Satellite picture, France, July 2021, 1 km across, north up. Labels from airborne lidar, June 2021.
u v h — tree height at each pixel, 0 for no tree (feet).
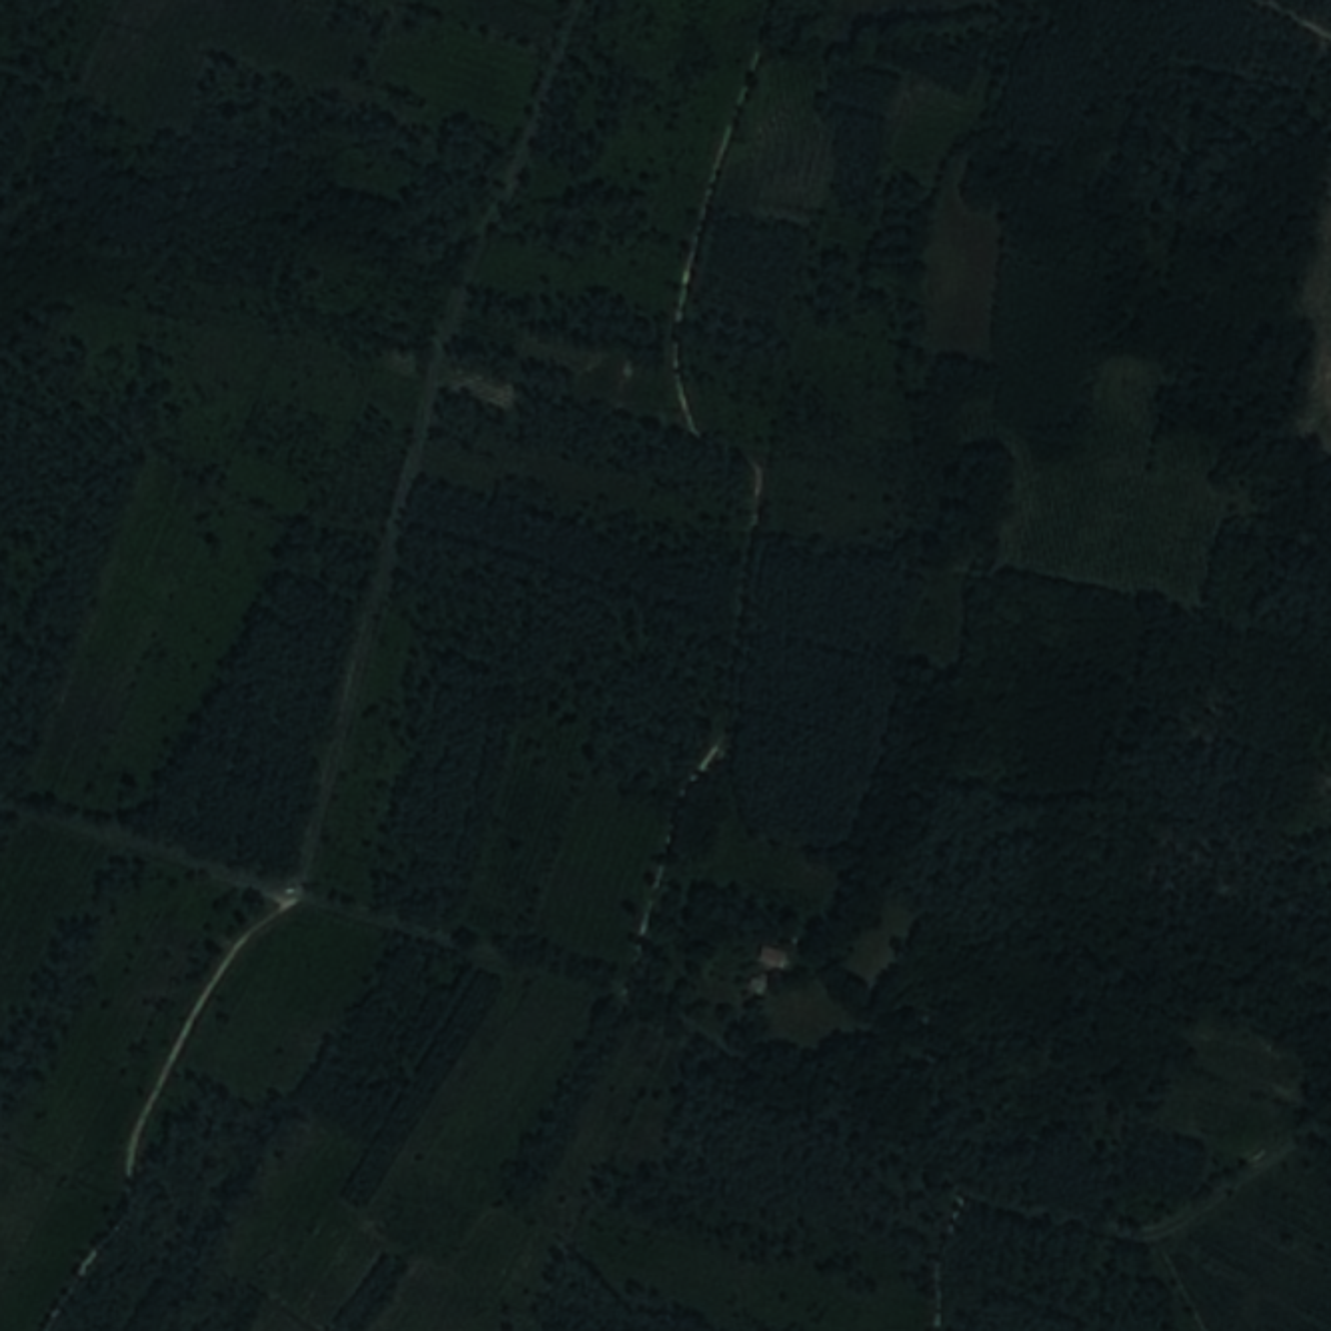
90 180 33
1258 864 55
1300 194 85
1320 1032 68
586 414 60
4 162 49
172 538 0
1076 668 45
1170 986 69
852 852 72
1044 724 59
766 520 34
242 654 65
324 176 44
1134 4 43
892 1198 59
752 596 33
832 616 52
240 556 0
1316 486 73
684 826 55
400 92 38
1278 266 49
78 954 87
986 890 87
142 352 33
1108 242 50
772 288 29
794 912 51
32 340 23
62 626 72
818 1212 75
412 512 39
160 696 0
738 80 0
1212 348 53
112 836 0
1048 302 42
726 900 77
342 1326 32
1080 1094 67
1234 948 54
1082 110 36
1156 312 52
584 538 40
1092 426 62
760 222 26
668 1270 0
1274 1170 0
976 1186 52
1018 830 49
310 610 66
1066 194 46
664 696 67
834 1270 53
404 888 57
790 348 71
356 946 0
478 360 84
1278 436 42
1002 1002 37
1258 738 32
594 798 0
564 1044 0
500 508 38
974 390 57
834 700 62
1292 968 53
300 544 82
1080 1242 68
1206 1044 0
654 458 76
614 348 55
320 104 32
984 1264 67
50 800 54
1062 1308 49
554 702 19
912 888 82
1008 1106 53
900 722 54
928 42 29
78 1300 75
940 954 38
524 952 56
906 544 49
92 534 79
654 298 0
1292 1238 45
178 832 66
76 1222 0
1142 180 82
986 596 61
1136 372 0
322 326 27
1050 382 44
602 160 22
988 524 86
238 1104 60
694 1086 78
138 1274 71
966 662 40
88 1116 0
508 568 49
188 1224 65
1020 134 37
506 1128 0
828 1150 83
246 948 0
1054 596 38
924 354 68
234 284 25
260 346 0
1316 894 27
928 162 0
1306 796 21
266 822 68
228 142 40
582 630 67
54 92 30
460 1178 0
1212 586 46
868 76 35
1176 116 77
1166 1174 49
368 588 75
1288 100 46
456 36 0
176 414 56
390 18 51
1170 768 70
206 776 70
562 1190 0
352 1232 0
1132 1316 63
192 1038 0
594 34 22
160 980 0
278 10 0
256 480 0
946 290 0
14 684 72
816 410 22
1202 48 34
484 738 71
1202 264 47
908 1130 61
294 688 62
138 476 81
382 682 0
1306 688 36
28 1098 63
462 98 0
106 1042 0
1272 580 44
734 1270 0
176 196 45
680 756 63
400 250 70
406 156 81
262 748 58
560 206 37
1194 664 79
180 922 0
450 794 67
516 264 0
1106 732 43
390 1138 32
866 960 0
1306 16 24
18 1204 0
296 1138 87
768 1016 53
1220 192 90
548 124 40
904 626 52
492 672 67
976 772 40
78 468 60
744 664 69
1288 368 50
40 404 55
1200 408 65
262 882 26
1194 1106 0
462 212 91
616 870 0
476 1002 31
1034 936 63
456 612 54
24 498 72
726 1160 78
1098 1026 68
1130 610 41
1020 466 52
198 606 0
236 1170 27
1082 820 70
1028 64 35
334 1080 46
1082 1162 55
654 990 62
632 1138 0
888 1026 69
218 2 0
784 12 54
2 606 67
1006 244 33
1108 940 31
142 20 0
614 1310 52
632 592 60
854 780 58
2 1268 0
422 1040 38
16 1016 34
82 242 20
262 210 42
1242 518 25
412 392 0
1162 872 44
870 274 57
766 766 57
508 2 0
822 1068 63
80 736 0
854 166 32
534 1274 0
